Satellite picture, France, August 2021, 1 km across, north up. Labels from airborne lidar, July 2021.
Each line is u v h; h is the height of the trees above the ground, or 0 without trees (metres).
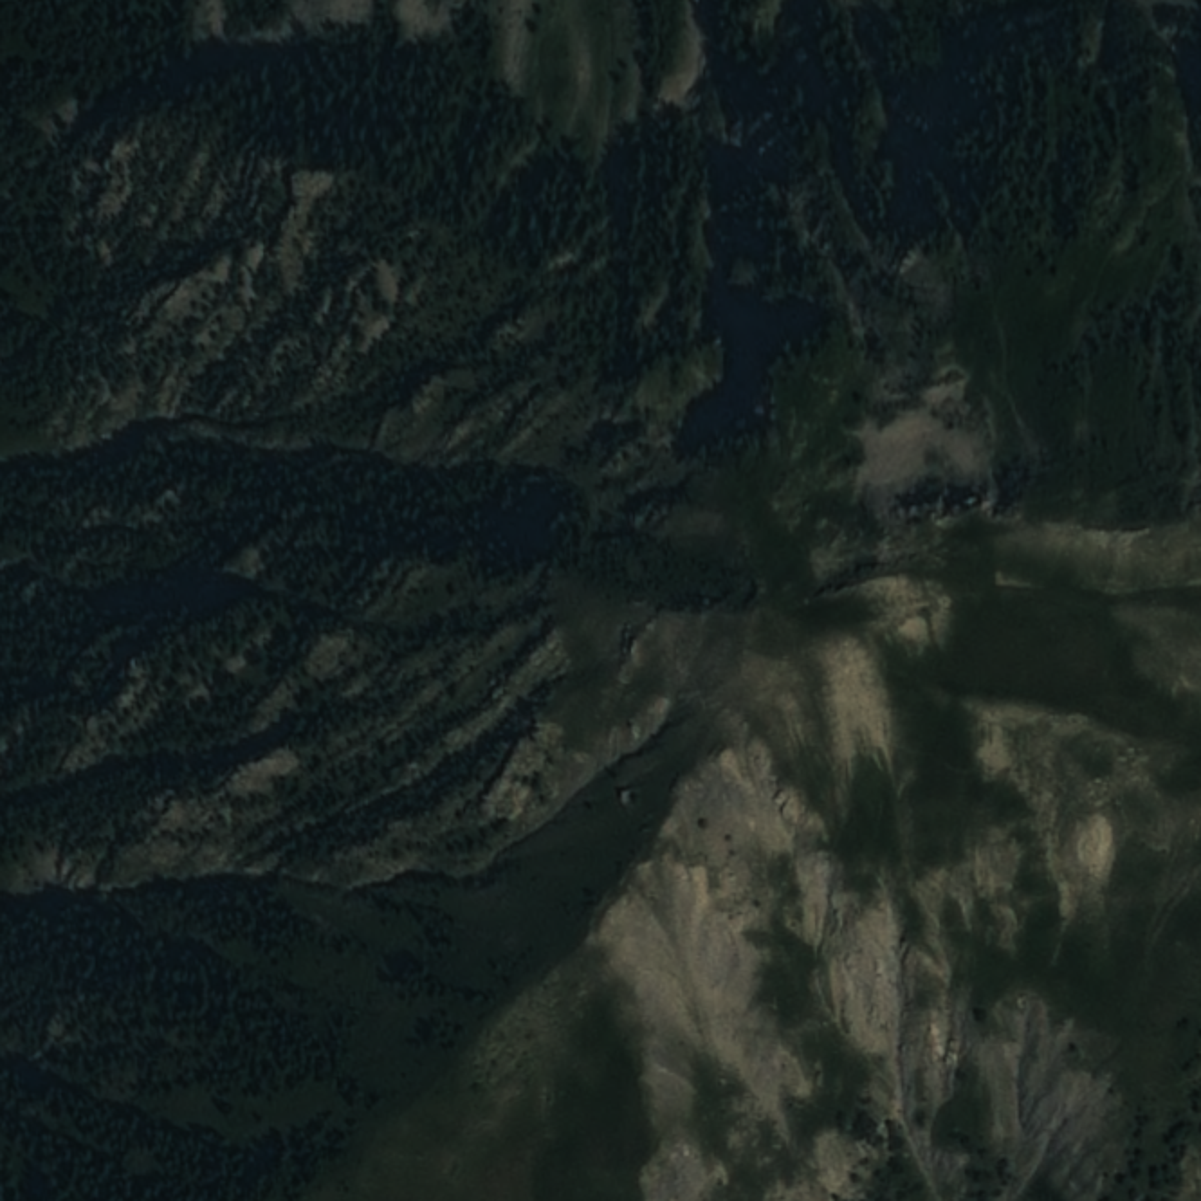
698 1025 0
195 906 13
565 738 0
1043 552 0
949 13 14
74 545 10
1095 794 0
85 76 17
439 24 0
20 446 0
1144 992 0
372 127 14
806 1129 0
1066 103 0
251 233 10
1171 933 0
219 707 12
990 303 0
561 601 0
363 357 12
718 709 0
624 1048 0
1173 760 0
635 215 14
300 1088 8
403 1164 0
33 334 24
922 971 0
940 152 8
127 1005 17
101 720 8
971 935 0
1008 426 0
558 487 8
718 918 0
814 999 0
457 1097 0
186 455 12
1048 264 15
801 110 8
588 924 0
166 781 16
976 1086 0
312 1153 12
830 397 0
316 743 7
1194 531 0
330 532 9
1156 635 0
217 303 9
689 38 0
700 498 0
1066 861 0
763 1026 0
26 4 19
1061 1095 0
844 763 0
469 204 14
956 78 10
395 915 9
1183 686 0
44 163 15
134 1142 15
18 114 22
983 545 0
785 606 0
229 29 7
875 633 0
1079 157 12
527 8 0
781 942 0
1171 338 11
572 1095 0
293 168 7
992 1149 0
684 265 7
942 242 14
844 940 0
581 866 0
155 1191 14
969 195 14
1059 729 0
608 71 0
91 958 12
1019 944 0
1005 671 0
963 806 0
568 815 0
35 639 16
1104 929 0
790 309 0
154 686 14
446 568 7
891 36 9
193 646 13
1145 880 0
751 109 7
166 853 0
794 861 0
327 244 12
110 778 20
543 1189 0
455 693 13
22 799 11
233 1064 20
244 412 10
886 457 0
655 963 0
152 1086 13
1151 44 7
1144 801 0
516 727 10
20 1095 15
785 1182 0
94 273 12
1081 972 0
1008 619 0
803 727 0
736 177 9
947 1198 0
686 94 0
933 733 0
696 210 8
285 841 12
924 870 0
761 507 0
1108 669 0
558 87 0
